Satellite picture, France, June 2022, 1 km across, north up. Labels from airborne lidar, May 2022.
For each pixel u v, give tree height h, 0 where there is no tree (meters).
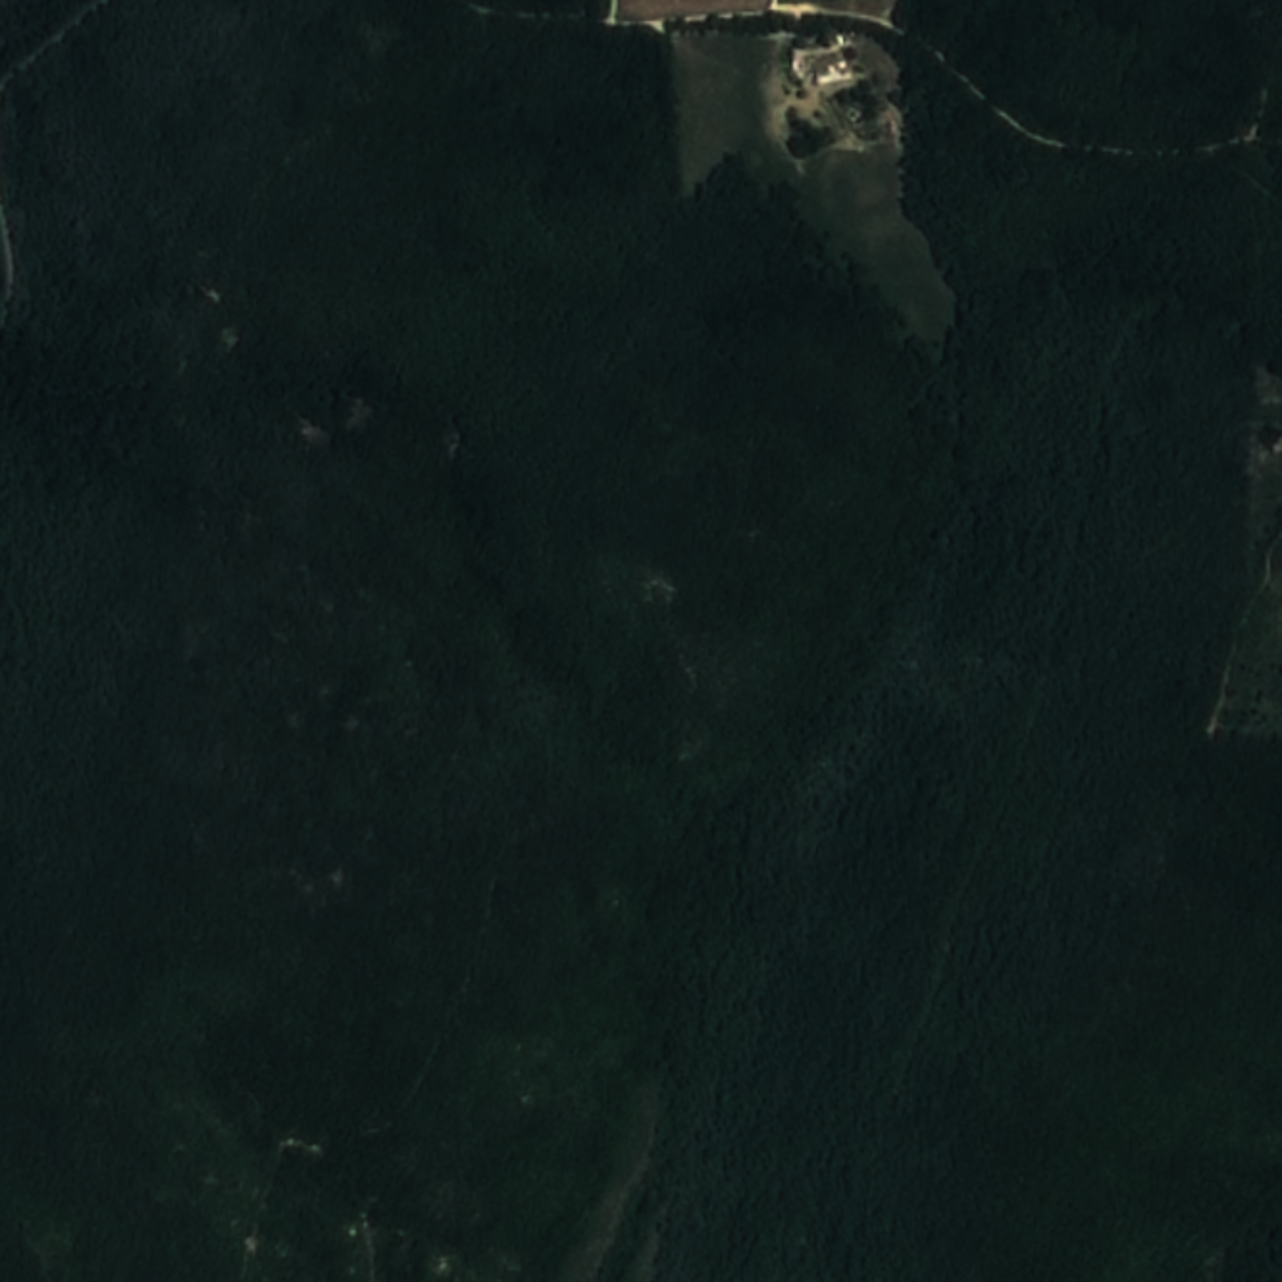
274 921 7
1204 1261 8
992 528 11
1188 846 9
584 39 17
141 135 6
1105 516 11
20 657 11
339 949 6
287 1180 8
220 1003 7
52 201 6
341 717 12
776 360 10
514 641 12
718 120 0
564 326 13
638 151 14
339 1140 10
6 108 9
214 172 5
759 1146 10
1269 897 10
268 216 7
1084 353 10
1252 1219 14
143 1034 7
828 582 11
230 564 7
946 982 6
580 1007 6
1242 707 0
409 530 7
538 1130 6
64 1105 8
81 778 7
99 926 8
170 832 7
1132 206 15
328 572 7
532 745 6
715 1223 6
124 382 6
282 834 7
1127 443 9
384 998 8
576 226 12
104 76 6
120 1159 5
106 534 6
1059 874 6
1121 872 6
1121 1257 8
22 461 10
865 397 7
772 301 15
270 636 8
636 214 11
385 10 8
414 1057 9
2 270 7
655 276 14
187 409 6
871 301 19
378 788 9
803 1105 13
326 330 7
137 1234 6
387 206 11
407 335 13
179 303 9
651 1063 11
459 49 10
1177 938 6
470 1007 10
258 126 6
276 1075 13
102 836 8
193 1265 8
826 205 0
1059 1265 9
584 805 6
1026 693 8
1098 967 7
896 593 10
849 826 7
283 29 6
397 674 8
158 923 7
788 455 9
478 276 16
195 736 6
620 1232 6
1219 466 8
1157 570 9
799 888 6
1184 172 13
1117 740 7
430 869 10
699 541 9
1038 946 9
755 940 7
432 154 8
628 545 7
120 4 7
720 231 21
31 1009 8
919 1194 7
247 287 7
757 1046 6
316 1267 6
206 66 6
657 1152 8
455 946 10
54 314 8
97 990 8
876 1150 5
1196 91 11
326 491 8
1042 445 9
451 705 8
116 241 6
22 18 9
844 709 10
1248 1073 7
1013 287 9
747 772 11
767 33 9
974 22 13
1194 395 7
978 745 8
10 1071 8
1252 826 7
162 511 9
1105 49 9
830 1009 9
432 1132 6
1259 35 9
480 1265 6
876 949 10
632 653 10
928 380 16
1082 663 6
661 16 0
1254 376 14
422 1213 7
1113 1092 6
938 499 16
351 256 6
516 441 10
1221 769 9
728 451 6
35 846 8
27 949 8
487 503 11
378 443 9
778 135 0
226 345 11
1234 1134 6
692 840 13
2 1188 6
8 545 9
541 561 7
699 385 11
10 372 18
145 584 6
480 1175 6
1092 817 8
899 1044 9
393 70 6
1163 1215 11
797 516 6
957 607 11
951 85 12
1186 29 12
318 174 7
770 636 7
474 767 6
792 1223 8
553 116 14
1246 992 7
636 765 8
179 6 7
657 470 6
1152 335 12
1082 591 12
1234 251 11
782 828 10
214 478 6
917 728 10
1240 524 7
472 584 7
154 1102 6
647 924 8
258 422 14
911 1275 7
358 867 8
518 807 7
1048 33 9
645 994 11
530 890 6
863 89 8
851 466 8
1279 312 9
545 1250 12
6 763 8
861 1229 8
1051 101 7
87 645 7
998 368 12
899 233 0
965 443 12
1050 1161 6
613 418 8
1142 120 11
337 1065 6
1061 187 6
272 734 6
